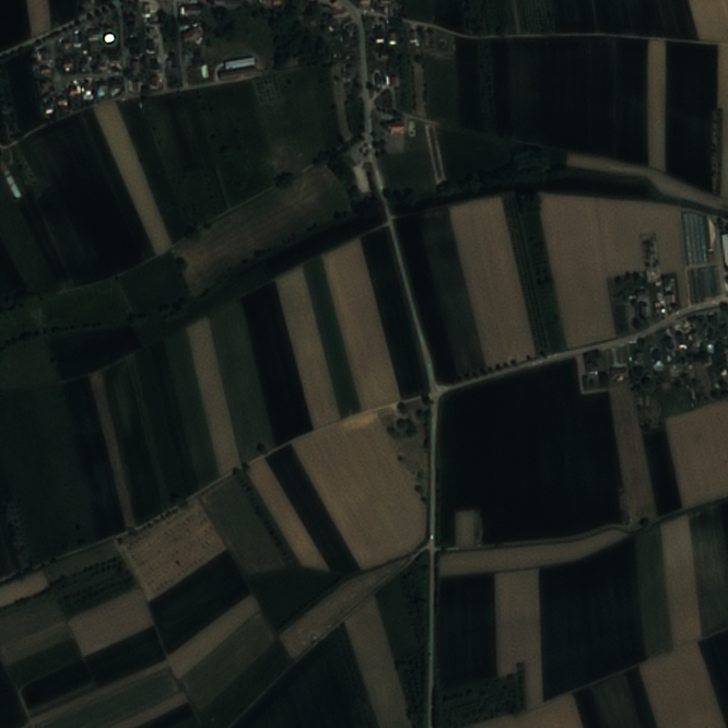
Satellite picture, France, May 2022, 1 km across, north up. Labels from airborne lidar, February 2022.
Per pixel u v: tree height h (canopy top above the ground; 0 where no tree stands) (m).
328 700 0
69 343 0
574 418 0
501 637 0
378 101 0
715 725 0
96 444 0
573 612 0
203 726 0
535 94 0
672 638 0
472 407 0
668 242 0
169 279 0
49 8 0
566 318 0
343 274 0
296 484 0
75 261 0
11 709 0
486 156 0
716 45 0
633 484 0
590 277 0
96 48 0
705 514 0
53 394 0
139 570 0
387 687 0
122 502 0
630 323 0
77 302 0
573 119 0
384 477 0
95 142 0
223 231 0
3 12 0
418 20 0
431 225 0
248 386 0
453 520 0
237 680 0
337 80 9
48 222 0
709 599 0
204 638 0
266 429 0
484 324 0
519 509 0
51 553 0
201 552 0
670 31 0
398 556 0
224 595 0
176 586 0
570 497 0
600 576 0
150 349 0
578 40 0
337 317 0
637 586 0
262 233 0
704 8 0
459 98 0
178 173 0
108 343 0
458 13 0
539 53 0
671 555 0
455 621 0
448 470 0
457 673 0
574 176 0
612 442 0
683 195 0
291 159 0
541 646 0
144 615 0
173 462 0
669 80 0
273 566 0
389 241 0
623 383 0
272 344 0
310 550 0
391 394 0
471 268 0
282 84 0
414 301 0
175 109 0
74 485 0
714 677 0
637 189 0
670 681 0
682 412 0
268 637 0
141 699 0
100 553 0
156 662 0
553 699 0
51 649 0
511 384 0
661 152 0
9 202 0
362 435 0
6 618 0
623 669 0
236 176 0
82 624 0
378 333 0
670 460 0
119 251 0
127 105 0
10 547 0
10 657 0
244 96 0
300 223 0
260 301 0
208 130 0
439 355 0
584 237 0
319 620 0
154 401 0
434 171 0
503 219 0
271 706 0
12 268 0
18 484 0
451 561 0
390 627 0
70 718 0
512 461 0
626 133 0
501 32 9
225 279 0
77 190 0
